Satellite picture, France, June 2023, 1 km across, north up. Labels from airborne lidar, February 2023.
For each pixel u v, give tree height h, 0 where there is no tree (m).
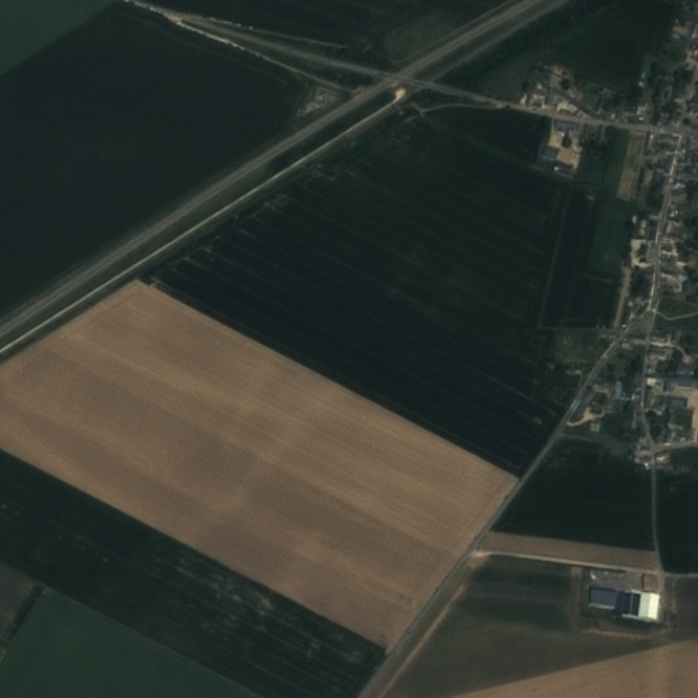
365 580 0
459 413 0
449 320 0
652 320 0
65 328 0
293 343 0
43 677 0
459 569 0
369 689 0
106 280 0
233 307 0
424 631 0
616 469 0
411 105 0
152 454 0
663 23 0
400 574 0
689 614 0
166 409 0
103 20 0
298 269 0
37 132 0
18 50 0
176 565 0
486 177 0
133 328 0
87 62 0
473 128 0
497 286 0
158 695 0
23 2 0
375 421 0
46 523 0
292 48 0
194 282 0
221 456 0
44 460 0
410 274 0
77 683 0
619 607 0
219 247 0
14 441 0
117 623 0
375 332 0
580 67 0
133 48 0
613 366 7
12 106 0
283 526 0
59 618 0
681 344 6
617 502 0
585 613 0
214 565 0
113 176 0
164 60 0
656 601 0
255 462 0
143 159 0
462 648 0
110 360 0
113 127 0
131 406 0
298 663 0
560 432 0
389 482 0
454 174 0
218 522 0
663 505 0
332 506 0
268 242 0
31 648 0
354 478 0
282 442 0
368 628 0
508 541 0
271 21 0
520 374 0
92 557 0
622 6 0
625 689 0
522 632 0
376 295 0
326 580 0
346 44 0
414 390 0
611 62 0
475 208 0
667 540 0
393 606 0
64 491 0
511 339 0
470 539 0
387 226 0
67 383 0
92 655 0
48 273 0
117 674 0
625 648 0
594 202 0
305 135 0
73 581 0
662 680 0
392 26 0
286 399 0
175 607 0
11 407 0
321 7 0
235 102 0
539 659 0
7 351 0
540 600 0
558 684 0
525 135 0
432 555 0
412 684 0
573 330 0
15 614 0
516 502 0
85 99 0
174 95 0
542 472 0
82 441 0
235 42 0
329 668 0
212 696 0
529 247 0
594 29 0
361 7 0
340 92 0
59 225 0
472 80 9
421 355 0
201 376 0
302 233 0
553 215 0
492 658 0
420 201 0
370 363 0
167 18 0
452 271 0
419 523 0
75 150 0
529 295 0
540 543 0
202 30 0
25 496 0
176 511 0
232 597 0
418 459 0
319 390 0
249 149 0
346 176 0
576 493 0
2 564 0
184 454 0
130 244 0
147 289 0
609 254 0
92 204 0
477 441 0
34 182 0
